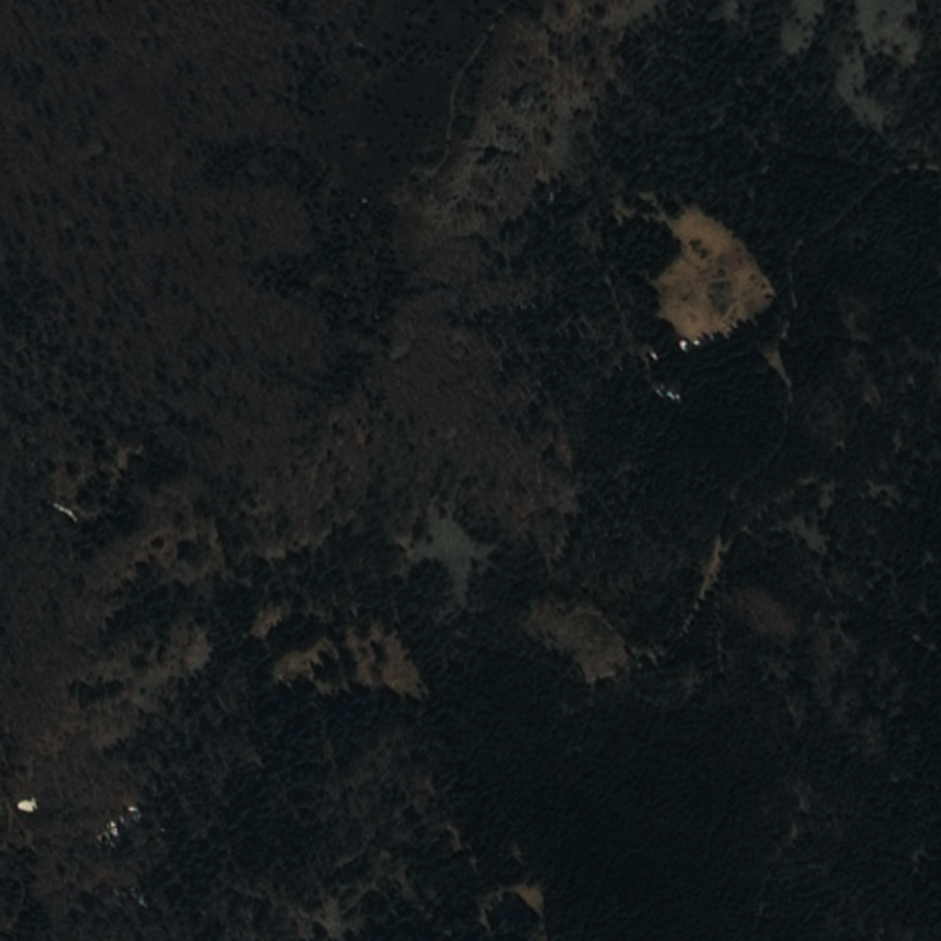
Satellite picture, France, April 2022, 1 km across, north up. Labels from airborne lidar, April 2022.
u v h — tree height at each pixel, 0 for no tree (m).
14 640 12
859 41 11
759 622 17
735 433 16
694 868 18
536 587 15
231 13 11
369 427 11
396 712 32
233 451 11
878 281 15
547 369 10
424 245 6
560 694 7
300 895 18
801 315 12
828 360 21
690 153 30
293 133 9
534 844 20
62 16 15
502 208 15
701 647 13
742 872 21
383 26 0
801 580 19
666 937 23
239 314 11
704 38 35
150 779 15
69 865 13
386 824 22
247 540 14
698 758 17
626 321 12
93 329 10
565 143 0
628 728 15
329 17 12
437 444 12
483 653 21
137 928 16
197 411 11
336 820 21
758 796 22
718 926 23
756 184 23
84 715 9
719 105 32
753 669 12
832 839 26
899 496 9
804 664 10
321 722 15
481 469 15
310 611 17
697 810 20
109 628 15
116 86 12
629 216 0
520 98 13
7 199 14
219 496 17
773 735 23
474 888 12
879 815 25
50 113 14
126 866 26
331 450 11
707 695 14
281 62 12
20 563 14
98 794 20
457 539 0
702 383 19
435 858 23
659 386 10
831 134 14
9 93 14
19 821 0
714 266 0
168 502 15
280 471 14
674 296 0
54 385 13
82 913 10
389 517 16
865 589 21
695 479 11
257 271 12
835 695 21
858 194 18
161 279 10
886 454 21
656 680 14
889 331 16
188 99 10
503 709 16
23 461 15
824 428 17
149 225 14
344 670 16
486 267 17
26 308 7
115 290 10
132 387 11
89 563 15
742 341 14
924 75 10
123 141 13
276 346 7
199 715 13
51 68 11
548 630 0
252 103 10
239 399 13
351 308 8
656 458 12
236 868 11
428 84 0
